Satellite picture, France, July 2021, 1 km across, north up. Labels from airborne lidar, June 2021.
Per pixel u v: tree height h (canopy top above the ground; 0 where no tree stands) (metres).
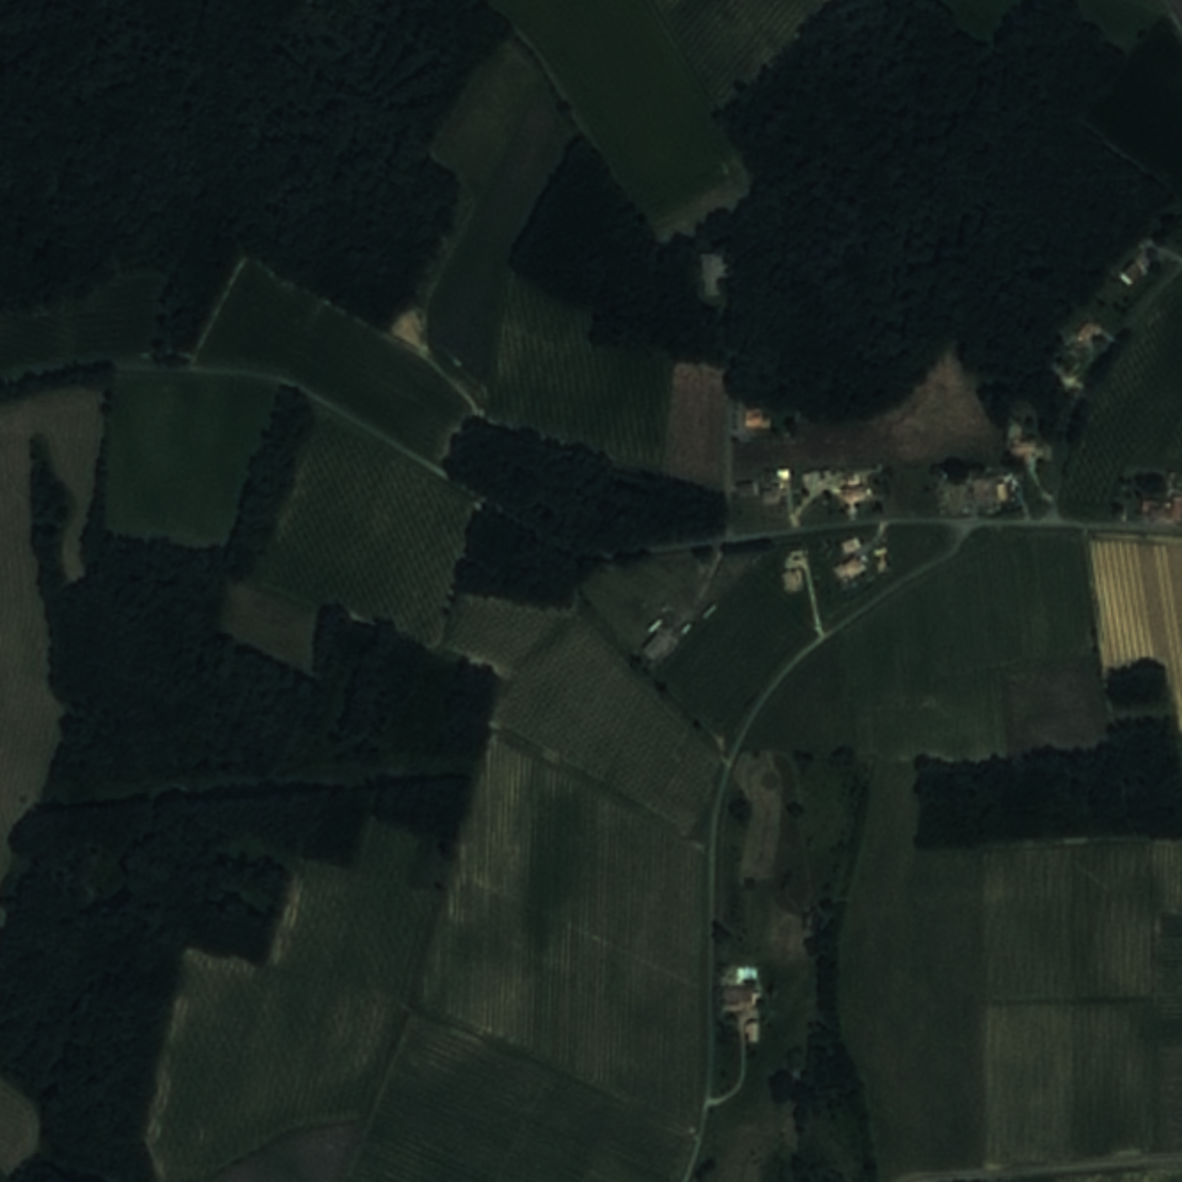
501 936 0
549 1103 0
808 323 21
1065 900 0
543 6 0
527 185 0
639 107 0
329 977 0
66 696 17
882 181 14
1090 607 0
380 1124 0
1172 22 0
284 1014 0
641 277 23
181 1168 0
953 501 0
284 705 19
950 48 21
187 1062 0
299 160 25
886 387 21
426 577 0
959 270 22
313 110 7
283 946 0
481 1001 0
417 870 0
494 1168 0
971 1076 0
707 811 0
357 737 18
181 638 20
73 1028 19
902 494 0
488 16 16
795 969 0
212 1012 0
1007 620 0
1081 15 13
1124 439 0
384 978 0
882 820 0
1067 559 0
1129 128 0
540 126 0
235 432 0
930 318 26
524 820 0
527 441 18
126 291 0
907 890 0
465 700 17
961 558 0
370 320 14
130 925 27
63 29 23
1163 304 0
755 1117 0
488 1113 0
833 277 24
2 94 23
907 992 0
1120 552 0
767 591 0
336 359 0
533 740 0
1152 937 0
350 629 11
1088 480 0
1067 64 24
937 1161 0
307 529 0
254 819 20
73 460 0
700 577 0
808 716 0
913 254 24
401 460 0
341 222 16
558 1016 0
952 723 0
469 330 0
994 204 23
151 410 0
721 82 0
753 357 18
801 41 8
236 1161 0
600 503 21
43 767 0
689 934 0
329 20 13
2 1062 10
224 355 0
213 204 19
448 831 17
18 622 0
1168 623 0
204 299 11
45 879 20
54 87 25
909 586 0
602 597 0
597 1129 0
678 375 0
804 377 19
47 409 0
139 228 19
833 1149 0
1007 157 21
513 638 0
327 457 0
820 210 22
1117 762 21
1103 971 0
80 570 0
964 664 0
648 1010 0
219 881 22
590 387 0
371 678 25
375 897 0
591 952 0
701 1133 0
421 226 17
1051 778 18
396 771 0
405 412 0
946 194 31
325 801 15
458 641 0
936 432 0
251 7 18
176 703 19
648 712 0
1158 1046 0
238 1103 0
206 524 0
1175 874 0
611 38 0
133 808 17
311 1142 0
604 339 14
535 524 18
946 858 0
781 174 11
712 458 0
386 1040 0
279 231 13
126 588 21
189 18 11
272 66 25
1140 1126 0
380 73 19
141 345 0
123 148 23
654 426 0
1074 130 20
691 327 17
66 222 19
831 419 12
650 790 0
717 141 0
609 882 0
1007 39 18
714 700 0
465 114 0
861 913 0
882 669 0
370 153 24
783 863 0
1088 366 0
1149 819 12
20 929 19
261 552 12
